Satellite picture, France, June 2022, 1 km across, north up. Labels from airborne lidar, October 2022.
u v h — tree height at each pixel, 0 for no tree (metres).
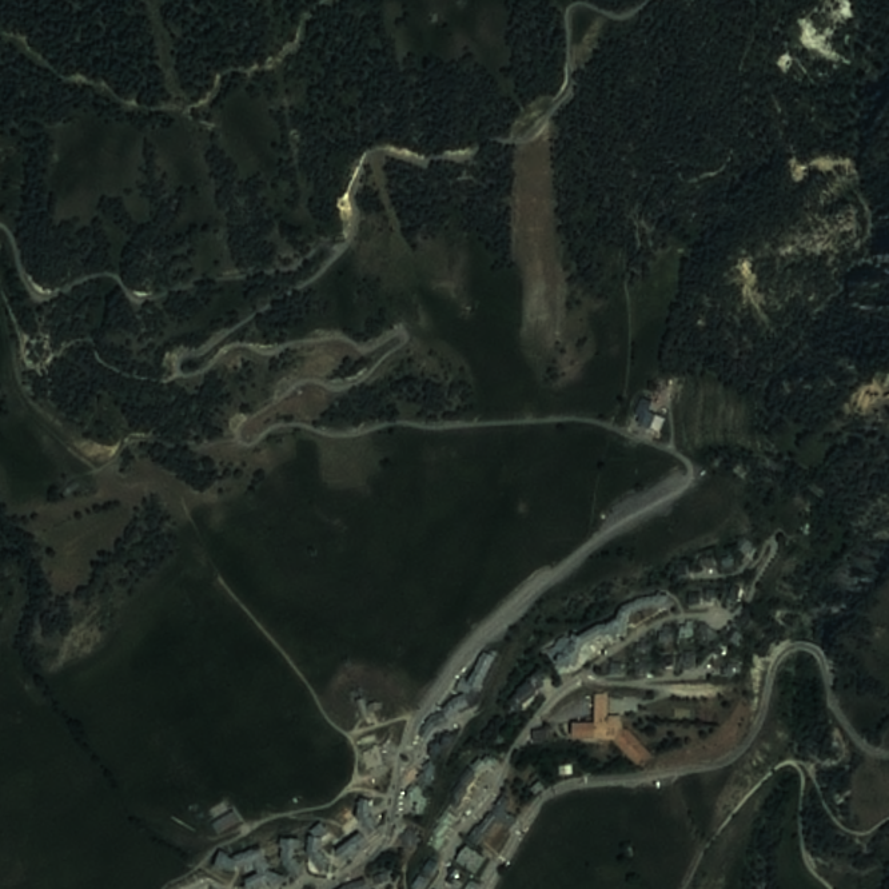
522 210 0
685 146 12
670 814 0
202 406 14
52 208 10
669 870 0
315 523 0
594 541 0
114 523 0
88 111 5
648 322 0
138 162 0
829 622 6
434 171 12
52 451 0
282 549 0
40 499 0
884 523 6
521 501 0
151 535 10
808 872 0
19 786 0
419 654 0
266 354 0
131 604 0
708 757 0
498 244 10
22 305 9
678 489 0
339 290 0
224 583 0
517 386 0
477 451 0
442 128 14
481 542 0
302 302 14
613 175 8
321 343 0
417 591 0
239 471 9
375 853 0
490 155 11
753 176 17
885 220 8
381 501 0
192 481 10
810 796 6
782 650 0
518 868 0
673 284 0
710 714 0
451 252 0
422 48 0
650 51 8
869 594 11
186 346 7
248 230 6
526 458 0
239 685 0
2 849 0
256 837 0
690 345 12
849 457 10
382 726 0
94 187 0
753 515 7
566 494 0
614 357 0
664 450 0
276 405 0
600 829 0
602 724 0
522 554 0
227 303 0
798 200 9
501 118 6
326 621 0
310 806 0
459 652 0
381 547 0
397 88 13
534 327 0
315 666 0
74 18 18
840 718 0
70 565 0
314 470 0
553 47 19
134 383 9
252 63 13
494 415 0
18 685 0
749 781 0
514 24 11
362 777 0
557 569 0
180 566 0
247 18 8
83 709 0
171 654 0
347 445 0
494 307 0
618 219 10
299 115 13
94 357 8
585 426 0
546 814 0
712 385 0
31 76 17
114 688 0
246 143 0
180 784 0
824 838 11
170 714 0
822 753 6
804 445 15
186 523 0
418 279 0
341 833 0
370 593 0
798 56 8
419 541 0
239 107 0
